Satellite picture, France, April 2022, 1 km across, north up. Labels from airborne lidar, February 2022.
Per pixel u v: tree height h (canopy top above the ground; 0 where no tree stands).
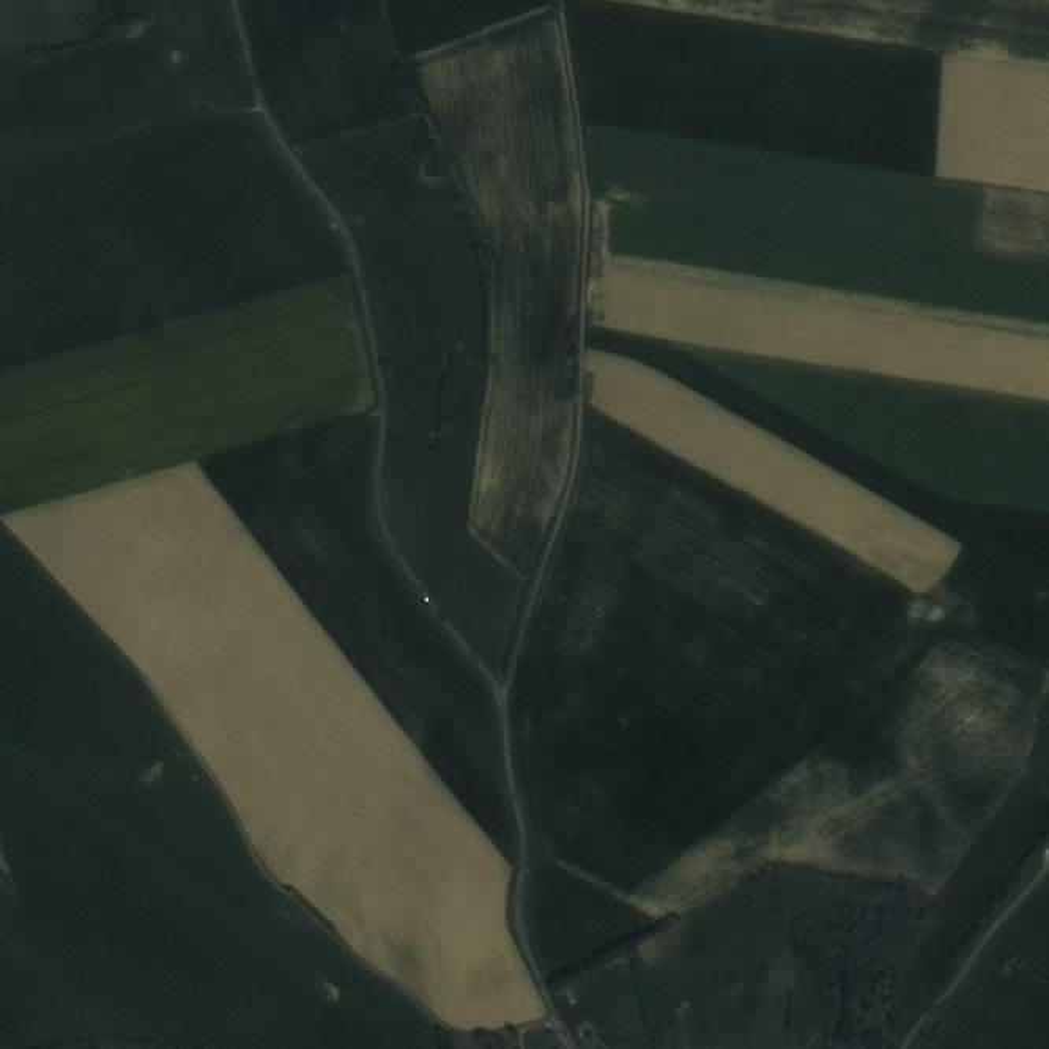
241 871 0
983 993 0
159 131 0
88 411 0
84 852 0
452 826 0
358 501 0
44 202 0
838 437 0
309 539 0
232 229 0
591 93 0
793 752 0
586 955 0
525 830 0
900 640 0
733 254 0
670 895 0
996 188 0
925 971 0
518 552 0
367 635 0
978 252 0
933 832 0
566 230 0
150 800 0
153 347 0
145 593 0
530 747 0
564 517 0
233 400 0
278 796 0
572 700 0
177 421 0
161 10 0
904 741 0
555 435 0
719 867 0
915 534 0
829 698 0
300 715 0
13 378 0
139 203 0
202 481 0
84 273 0
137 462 0
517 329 0
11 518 0
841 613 0
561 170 0
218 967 0
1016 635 0
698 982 0
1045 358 0
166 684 0
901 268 0
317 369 0
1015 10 0
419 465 0
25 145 0
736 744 0
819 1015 0
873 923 6
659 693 0
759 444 0
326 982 0
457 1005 0
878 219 0
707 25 0
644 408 0
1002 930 0
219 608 0
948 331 0
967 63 0
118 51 0
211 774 0
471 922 0
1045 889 0
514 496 0
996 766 0
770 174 0
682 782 0
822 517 0
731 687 0
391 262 0
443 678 0
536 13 0
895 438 0
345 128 0
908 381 0
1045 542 0
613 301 0
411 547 0
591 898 0
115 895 0
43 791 0
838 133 0
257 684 0
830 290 0
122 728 0
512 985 0
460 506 0
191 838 0
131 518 0
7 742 0
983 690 0
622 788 0
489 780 0
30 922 0
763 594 0
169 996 0
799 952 14
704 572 0
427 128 6
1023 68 0
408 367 0
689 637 0
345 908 0
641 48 0
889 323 0
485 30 0
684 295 0
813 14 0
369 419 0
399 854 0
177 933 0
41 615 0
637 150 0
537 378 0
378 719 0
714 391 0
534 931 0
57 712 0
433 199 0
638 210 0
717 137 0
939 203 0
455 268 0
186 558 0
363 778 0
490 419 0
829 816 0
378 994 0
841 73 0
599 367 0
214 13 0
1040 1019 0
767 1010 0
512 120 0
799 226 0
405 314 0
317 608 0
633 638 0
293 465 0
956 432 0
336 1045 0
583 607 0
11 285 0
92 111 0
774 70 0
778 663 0
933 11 0
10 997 0
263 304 0
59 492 0
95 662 0
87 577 0
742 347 0
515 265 0
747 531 0
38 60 15
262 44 0
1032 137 0
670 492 0
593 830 0
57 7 0
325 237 0
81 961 0
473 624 0
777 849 0
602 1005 0
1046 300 0
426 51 0
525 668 0
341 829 0
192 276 0
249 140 0
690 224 0
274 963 0
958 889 0
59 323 0
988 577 0
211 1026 0
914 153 0
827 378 0
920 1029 0
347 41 0
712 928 0
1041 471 0
